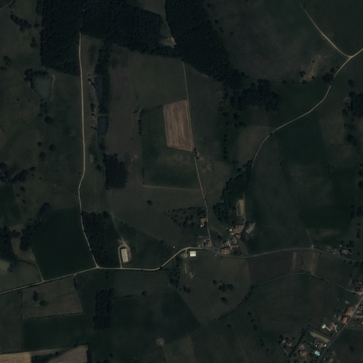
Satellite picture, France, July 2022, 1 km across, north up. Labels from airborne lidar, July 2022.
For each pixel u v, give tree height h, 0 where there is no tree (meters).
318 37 0
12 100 0
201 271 0
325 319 0
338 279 0
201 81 0
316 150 0
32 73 11
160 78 0
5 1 0
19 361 0
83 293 0
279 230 0
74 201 0
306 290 0
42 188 0
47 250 0
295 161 0
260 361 0
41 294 0
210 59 30
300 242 0
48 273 0
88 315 0
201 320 0
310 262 0
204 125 0
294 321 0
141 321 0
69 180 0
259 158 0
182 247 0
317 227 0
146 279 0
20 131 0
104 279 0
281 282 0
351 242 16
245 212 0
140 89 0
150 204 11
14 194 0
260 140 0
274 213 0
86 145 0
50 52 18
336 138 0
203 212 13
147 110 0
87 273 0
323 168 0
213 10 13
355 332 0
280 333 0
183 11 24
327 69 0
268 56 0
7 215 0
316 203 0
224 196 9
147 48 10
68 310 0
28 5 0
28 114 0
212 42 28
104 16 17
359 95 11
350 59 0
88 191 0
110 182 16
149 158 0
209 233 0
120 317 0
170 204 0
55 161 0
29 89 0
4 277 0
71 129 0
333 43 0
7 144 0
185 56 17
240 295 0
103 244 9
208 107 0
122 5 12
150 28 23
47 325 0
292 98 0
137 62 0
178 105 0
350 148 0
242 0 0
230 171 0
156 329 0
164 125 0
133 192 0
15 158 0
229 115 21
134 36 20
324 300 0
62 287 0
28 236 9
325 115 0
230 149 0
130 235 0
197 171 0
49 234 0
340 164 0
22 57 0
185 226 9
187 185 0
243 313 0
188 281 0
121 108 0
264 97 24
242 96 7
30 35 0
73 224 0
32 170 8
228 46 0
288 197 0
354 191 0
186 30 26
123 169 14
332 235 0
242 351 0
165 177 0
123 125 0
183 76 0
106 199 0
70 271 0
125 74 0
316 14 0
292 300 0
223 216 11
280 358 0
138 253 0
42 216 25
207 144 0
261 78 0
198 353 0
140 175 0
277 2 0
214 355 0
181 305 0
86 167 0
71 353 0
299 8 0
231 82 20
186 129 0
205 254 0
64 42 19
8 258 14
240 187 14
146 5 0
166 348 0
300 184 0
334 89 0
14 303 0
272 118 0
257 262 0
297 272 0
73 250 0
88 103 0
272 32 0
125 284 0
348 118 0
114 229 0
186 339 0
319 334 0
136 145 0
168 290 0
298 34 0
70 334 0
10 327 0
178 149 0
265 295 0
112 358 11
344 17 0
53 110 0
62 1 23
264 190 0
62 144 0
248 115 0
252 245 0
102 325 8
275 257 0
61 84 0
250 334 0
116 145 0
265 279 0
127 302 0
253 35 0
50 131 0
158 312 0
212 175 0
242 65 0
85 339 0
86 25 18
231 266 0
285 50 0
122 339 0
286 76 0
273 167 0
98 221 8
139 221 0
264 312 0
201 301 0
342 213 0
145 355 0
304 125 0
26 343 0
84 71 0
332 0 0
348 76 0
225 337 0
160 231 0
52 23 22
